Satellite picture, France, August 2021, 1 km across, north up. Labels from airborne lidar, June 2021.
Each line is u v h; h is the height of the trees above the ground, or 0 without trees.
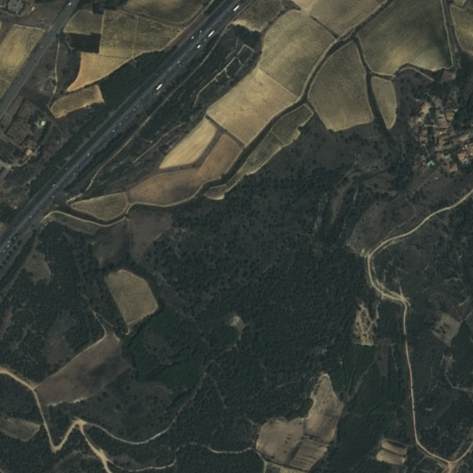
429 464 0
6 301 7
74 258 11
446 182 0
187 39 0
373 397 7
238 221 0
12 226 0
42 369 10
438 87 13
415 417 0
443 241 12
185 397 10
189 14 0
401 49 0
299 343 7
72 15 0
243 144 0
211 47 8
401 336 7
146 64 9
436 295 0
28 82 0
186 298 11
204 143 0
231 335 9
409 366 0
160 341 0
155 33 0
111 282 0
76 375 0
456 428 6
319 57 0
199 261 11
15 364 9
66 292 8
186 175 0
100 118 7
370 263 0
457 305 0
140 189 0
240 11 0
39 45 0
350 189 6
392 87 0
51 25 0
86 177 6
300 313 9
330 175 10
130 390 10
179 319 10
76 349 8
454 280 0
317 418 0
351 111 0
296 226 0
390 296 0
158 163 0
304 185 6
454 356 7
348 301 11
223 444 8
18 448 7
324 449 0
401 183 8
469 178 0
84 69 0
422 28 0
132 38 0
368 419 6
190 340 13
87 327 9
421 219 0
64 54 0
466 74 6
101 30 0
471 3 0
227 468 6
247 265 11
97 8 11
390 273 6
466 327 7
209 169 0
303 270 11
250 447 7
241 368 10
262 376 8
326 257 9
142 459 10
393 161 10
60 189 0
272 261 0
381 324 9
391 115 0
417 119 0
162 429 0
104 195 0
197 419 11
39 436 8
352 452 6
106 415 0
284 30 0
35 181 7
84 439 9
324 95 0
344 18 0
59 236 6
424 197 5
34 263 0
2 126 6
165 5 0
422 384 0
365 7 0
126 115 0
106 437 8
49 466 8
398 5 0
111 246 0
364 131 0
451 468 0
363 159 0
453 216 7
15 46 0
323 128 0
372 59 0
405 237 0
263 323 7
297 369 6
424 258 0
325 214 10
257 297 8
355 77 0
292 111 0
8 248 0
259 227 0
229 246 7
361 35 0
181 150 0
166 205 0
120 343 0
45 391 0
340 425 9
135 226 0
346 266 13
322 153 0
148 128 0
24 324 8
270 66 0
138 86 10
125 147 0
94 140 0
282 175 0
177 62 0
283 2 0
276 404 7
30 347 6
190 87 0
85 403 11
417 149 6
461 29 0
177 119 7
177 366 9
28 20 0
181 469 6
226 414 9
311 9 0
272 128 0
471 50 0
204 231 7
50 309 7
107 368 0
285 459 0
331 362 10
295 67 0
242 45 0
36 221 0
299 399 8
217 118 0
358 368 6
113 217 0
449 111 0
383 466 9
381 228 0
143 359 8
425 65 0
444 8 0
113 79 9
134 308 0
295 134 0
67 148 8
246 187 8
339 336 10
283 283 8
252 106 0
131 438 0
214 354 11
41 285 8
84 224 0
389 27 0
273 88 0
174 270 11
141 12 0
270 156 0
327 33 0
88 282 8
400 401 7
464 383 5
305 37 0
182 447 8
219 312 10
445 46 0
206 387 8
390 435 8
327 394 0
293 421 0
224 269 9
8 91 0
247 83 0
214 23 0
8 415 8
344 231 6
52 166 9
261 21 0
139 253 0
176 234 0
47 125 8
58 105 0
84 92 0
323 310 9
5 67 0
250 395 11
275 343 7
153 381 9
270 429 0
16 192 0
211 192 0
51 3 0
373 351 8
